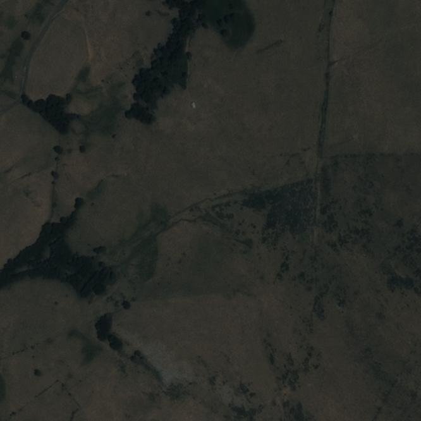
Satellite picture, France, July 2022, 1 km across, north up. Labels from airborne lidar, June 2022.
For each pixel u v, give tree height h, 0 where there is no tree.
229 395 0
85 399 0
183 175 0
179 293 0
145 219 0
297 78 0
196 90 0
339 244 0
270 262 0
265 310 0
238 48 0
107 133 0
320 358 0
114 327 0
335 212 0
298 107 0
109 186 0
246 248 0
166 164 0
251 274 0
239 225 0
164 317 0
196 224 0
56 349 0
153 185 0
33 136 0
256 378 0
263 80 0
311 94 0
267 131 0
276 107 0
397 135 0
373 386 0
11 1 0
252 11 0
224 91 0
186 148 0
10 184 0
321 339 0
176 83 0
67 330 0
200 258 0
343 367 0
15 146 0
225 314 0
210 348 0
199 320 0
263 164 0
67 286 0
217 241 0
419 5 0
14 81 0
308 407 0
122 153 0
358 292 0
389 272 0
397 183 0
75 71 0
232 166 0
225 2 0
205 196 0
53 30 0
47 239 14
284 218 0
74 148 0
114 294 0
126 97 0
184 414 0
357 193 0
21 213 0
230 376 0
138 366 0
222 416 0
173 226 0
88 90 0
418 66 0
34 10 0
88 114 0
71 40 0
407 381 0
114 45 0
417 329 0
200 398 0
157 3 0
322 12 0
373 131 0
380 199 0
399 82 0
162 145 0
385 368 0
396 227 0
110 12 0
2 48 0
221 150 0
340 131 0
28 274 13
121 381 0
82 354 0
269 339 0
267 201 0
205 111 0
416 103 0
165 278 0
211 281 0
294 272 0
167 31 0
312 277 0
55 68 0
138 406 0
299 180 0
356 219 0
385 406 0
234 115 0
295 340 0
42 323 0
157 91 16
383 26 0
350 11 0
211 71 0
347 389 0
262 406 0
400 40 0
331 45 0
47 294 0
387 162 0
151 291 0
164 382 0
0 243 0
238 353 0
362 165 0
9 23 0
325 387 0
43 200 0
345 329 0
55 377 0
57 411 0
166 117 0
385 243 0
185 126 0
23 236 0
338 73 0
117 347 14
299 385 0
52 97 17
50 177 0
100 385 0
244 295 0
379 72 0
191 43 0
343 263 0
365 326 0
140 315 0
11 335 0
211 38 0
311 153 0
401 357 0
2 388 0
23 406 0
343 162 0
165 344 0
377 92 0
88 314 0
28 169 0
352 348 0
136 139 0
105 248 7
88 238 0
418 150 0
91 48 0
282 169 0
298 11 0
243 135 0
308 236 0
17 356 0
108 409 0
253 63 0
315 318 0
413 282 0
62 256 16
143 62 0
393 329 0
